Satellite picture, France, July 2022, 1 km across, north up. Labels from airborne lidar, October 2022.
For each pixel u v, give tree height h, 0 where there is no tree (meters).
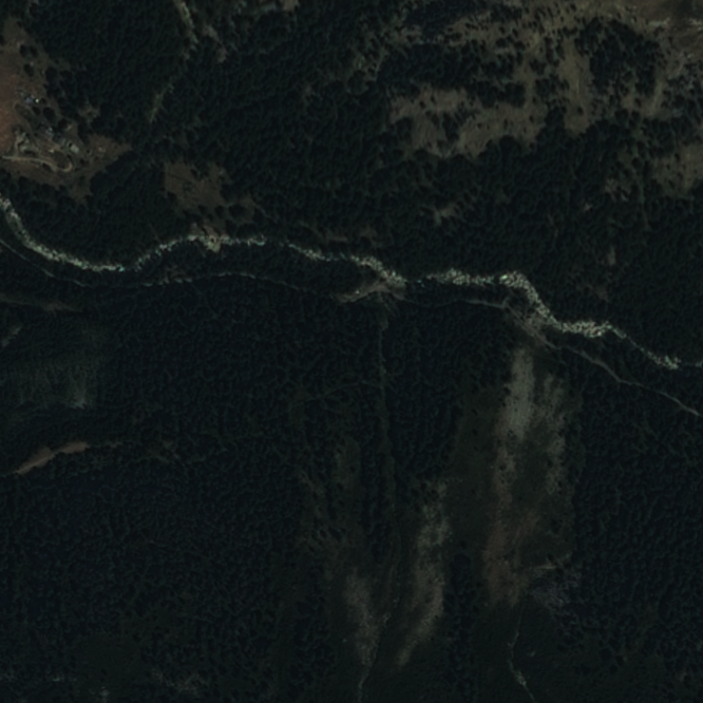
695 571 26
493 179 28
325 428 19
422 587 0
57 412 14
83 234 17
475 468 0
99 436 17
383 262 20
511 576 0
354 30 24
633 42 16
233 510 25
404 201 28
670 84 12
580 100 0
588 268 20
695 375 22
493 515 0
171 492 10
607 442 22
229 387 28
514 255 27
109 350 15
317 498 10
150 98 18
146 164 19
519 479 0
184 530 18
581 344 18
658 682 6
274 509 21
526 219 22
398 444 28
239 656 23
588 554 28
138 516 18
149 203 24
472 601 22
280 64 25
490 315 17
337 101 24
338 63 18
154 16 27
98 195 24
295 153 25
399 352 24
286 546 21
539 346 0
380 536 15
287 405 27
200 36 22
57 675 7
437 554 0
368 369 17
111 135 14
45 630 12
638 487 29
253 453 23
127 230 21
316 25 21
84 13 17
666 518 21
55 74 23
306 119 18
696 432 26
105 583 14
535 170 19
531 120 10
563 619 6
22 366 9
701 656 17
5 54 0
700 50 0
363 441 18
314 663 22
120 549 14
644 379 24
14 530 26
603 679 7
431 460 22
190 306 24
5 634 7
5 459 17
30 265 17
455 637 10
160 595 23
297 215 16
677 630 14
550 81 10
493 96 12
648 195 18
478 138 0
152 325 18
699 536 22
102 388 11
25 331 10
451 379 22
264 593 21
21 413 9
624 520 19
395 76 19
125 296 23
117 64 26
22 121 0
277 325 19
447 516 0
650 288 29
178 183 0
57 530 5
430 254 25
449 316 22
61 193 12
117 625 13
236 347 24
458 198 15
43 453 0
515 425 0
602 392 23
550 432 0
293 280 21
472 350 19
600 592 13
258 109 23
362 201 25
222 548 21
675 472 26
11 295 10
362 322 19
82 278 15
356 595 0
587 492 16
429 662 6
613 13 0
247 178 29
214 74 23
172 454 12
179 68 23
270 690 9
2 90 0
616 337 23
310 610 22
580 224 21
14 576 28
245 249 14
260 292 19
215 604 17
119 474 18
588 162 25
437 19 9
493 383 19
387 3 17
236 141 29
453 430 21
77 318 17
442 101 18
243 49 13
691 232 22
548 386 0
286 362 20
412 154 0
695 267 28
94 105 16
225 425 21
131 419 16
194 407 20
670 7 0
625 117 24
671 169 12
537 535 0
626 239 28
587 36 9
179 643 8
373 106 30
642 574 13
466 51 10
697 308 27
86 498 16
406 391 18
